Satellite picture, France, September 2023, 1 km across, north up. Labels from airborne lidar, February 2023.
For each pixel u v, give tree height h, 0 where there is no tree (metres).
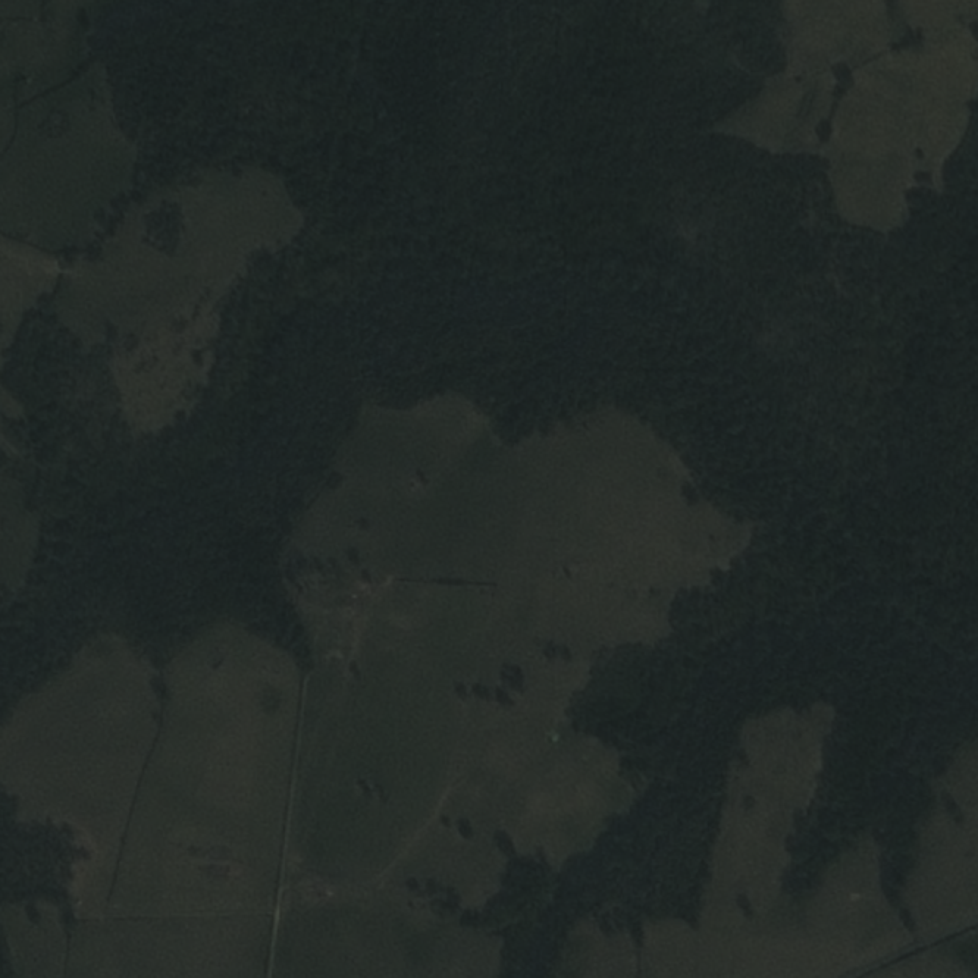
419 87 15
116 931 0
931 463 19
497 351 18
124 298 0
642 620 0
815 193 11
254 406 19
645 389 15
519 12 12
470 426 0
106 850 0
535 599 0
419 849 0
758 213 8
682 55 8
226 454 24
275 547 16
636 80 11
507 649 0
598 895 17
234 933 0
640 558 0
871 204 0
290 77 20
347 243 16
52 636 21
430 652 0
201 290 0
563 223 12
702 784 16
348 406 14
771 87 0
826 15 0
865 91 0
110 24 6
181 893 0
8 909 0
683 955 0
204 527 26
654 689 19
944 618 20
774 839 0
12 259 0
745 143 8
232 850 0
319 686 0
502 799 0
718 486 20
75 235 0
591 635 0
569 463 0
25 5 0
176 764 0
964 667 20
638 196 12
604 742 14
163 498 22
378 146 19
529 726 0
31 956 0
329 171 9
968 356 16
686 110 11
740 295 12
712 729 17
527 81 12
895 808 26
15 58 0
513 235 12
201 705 0
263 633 15
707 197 10
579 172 19
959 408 15
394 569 0
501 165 15
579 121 23
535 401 19
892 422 13
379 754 0
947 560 17
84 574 18
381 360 18
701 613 17
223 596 15
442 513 0
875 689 21
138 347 0
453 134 14
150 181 14
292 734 0
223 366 16
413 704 0
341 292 6
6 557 0
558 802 0
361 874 0
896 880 17
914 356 21
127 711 0
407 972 0
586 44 9
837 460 11
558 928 12
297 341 16
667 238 8
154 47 15
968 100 0
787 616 19
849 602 26
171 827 0
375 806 0
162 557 21
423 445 0
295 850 0
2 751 0
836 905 0
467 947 0
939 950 0
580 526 0
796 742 0
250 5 19
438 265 21
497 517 0
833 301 12
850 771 28
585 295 20
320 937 0
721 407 19
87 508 22
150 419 0
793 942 0
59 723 0
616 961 0
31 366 14
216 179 0
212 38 15
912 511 21
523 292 19
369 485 0
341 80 20
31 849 13
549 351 26
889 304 16
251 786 0
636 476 0
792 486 13
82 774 0
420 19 13
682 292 18
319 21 24
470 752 0
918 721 24
